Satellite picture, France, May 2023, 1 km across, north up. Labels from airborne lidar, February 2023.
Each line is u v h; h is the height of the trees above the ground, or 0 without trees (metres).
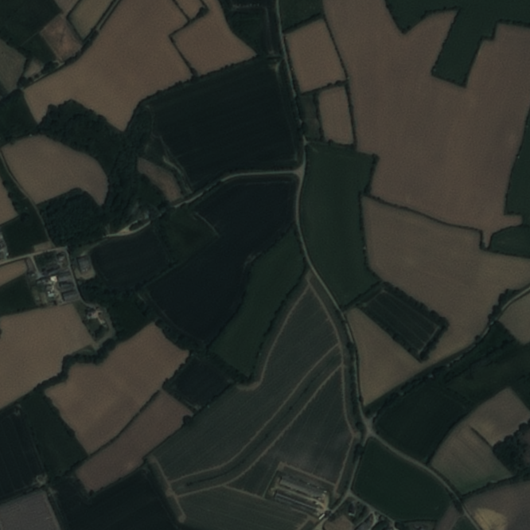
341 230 0
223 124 0
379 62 0
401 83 0
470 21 0
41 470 0
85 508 0
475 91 0
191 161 0
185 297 0
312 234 0
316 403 0
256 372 0
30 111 0
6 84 0
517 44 0
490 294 0
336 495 0
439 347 0
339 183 0
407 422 0
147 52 0
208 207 0
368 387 0
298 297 0
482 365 8
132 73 0
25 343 0
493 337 0
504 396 0
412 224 0
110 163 0
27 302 0
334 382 0
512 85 0
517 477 9
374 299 0
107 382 0
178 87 11
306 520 0
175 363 0
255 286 0
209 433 0
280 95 0
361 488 0
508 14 0
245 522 0
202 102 0
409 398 0
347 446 0
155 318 13
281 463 0
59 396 0
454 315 0
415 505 0
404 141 0
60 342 0
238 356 0
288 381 0
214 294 0
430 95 0
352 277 0
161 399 0
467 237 0
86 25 0
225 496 0
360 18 0
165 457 0
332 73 0
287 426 0
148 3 0
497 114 0
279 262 0
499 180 0
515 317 0
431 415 0
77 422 0
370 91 0
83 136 0
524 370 0
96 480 0
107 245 0
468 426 0
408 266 0
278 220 0
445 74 0
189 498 0
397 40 0
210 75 7
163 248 0
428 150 0
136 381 0
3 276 0
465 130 0
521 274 0
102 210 12
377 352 0
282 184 0
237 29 7
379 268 0
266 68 0
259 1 0
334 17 0
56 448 0
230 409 0
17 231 0
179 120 0
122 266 0
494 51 0
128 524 0
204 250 0
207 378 0
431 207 0
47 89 0
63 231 19
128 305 0
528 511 0
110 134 6
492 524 0
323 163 0
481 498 0
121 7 0
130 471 0
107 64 0
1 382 0
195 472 0
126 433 0
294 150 0
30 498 0
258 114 0
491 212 0
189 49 0
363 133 0
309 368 0
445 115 0
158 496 0
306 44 0
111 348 15
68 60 7
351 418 0
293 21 0
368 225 0
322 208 0
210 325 0
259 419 0
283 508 0
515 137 0
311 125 0
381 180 0
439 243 0
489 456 0
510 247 0
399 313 0
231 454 0
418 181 0
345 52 0
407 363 0
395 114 0
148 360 0
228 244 0
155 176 0
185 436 0
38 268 0
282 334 0
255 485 0
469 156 0
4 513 0
